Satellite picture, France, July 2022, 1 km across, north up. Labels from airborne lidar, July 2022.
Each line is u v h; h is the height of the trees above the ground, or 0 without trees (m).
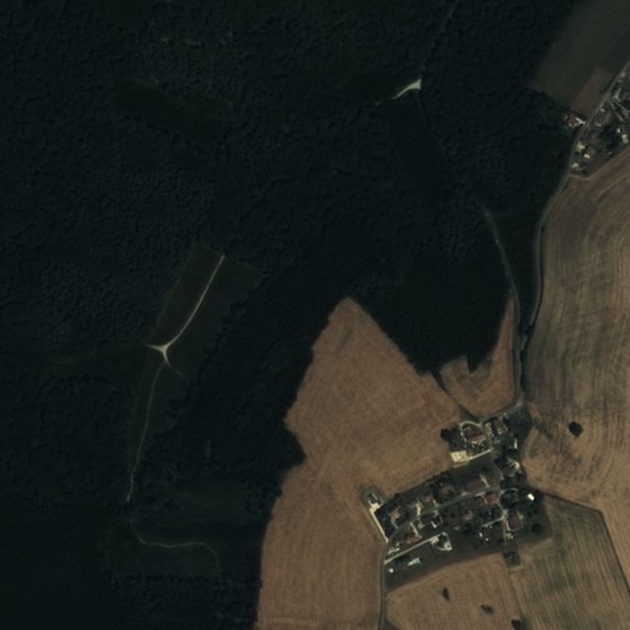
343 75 28
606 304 0
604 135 8
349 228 18
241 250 28
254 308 12
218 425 18
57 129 28
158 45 24
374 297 26
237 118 25
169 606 25
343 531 0
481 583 0
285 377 22
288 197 28
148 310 24
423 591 0
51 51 23
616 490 0
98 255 18
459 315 10
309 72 26
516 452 6
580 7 21
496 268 11
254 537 9
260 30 25
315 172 29
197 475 11
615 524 0
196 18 25
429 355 14
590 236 0
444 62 32
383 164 30
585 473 0
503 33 29
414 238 31
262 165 33
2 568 13
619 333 0
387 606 0
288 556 0
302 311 18
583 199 0
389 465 0
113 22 12
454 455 0
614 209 0
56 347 25
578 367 0
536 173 26
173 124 6
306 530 0
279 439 19
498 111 24
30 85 25
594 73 0
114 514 14
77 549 15
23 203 27
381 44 26
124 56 22
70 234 19
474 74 30
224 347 14
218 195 23
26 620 13
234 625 22
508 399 0
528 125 29
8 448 27
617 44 0
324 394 0
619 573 0
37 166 25
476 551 0
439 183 8
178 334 0
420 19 27
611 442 0
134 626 17
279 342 23
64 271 25
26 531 14
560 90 0
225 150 13
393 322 12
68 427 28
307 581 0
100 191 20
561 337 0
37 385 29
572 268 0
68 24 17
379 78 9
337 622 0
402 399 0
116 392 11
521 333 12
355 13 24
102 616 11
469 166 22
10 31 23
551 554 0
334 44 22
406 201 32
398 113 8
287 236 23
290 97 25
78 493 30
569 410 0
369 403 0
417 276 10
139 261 19
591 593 0
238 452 16
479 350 13
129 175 27
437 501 9
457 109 28
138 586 21
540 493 11
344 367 0
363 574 0
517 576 0
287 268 11
